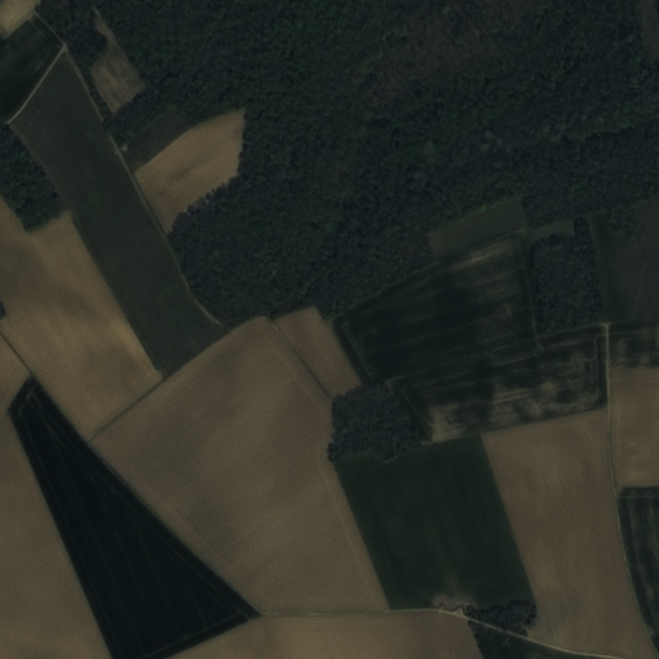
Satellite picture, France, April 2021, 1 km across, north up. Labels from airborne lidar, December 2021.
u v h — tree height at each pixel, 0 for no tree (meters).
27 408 0
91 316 0
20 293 0
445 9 23
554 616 0
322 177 24
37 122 0
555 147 26
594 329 0
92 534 0
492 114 26
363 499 0
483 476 0
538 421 0
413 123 29
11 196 20
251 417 0
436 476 0
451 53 24
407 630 0
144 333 0
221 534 0
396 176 25
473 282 0
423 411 0
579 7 24
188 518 0
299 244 25
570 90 33
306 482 0
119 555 0
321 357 0
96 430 0
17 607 0
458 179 23
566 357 0
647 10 0
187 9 24
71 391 0
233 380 0
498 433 0
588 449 0
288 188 24
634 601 0
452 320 0
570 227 0
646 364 0
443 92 23
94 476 0
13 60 0
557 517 0
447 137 27
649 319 0
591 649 0
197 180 0
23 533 0
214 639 0
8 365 0
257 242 27
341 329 0
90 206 0
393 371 0
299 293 18
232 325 7
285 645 0
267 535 0
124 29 19
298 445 0
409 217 20
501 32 7
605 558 0
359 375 0
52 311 0
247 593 0
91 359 0
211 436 0
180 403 0
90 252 0
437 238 0
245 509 0
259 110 17
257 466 0
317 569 0
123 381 0
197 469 0
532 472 0
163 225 0
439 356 0
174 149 0
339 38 18
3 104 0
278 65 10
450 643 0
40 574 0
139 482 0
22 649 0
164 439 0
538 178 22
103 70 0
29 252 0
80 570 0
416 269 14
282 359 0
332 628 0
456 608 0
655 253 0
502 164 29
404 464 0
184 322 0
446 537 0
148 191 0
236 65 21
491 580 0
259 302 27
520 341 0
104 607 0
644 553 0
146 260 0
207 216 25
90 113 0
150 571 0
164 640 0
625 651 0
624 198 21
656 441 0
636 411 0
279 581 0
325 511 0
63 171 0
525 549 0
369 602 0
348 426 18
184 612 0
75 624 0
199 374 0
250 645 0
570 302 17
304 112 23
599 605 0
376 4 18
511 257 0
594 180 19
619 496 0
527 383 0
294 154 16
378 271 21
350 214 28
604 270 0
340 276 24
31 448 0
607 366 0
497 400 0
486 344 0
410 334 0
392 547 0
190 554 0
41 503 0
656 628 0
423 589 0
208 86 20
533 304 0
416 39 19
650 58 6
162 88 22
